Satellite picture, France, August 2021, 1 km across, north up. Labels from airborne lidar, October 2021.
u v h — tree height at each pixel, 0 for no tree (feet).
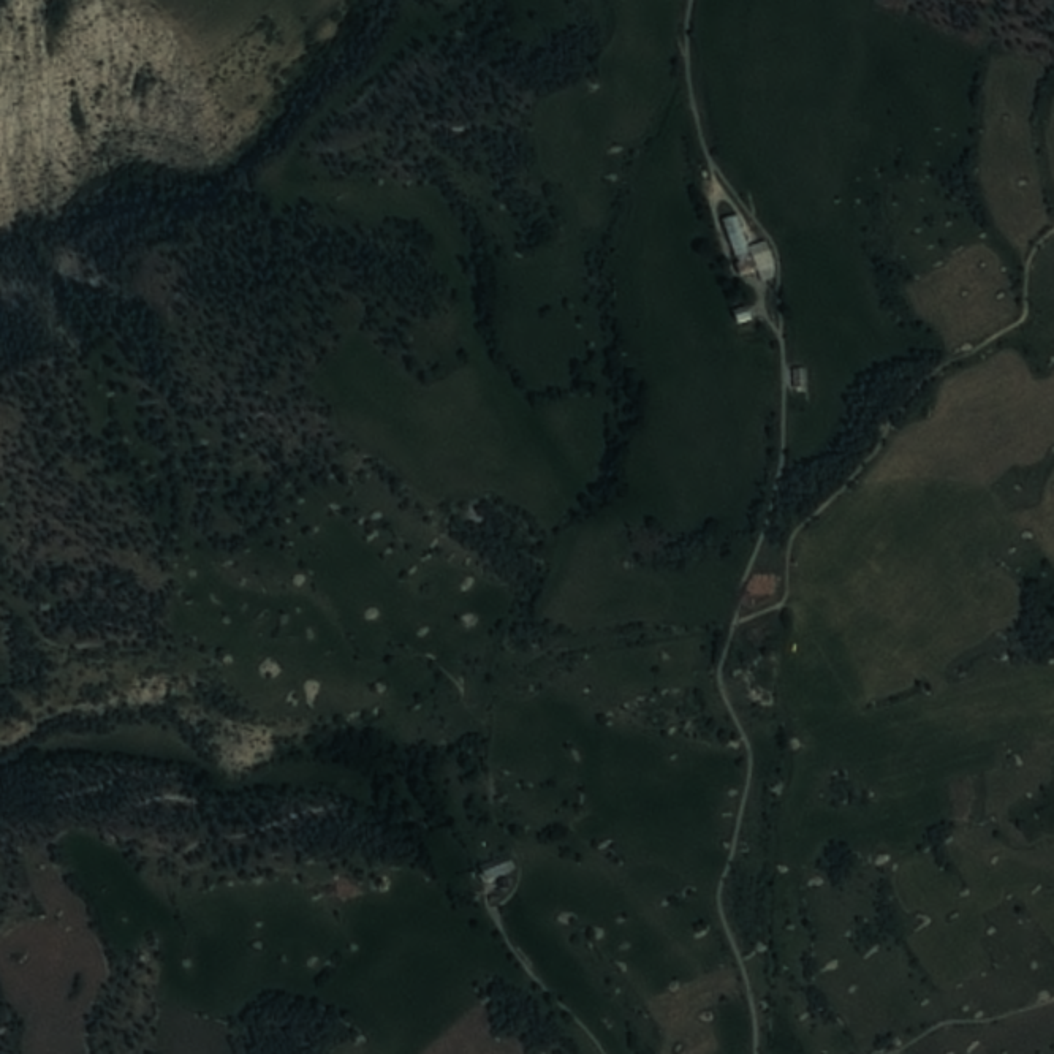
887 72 0
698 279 0
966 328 0
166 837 50
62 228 30
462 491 0
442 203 0
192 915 0
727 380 0
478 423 0
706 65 0
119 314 31
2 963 0
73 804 59
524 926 0
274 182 0
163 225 46
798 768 0
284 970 0
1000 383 0
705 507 0
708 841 0
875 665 0
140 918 0
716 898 0
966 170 30
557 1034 41
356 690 0
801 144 0
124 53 0
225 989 0
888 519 0
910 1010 0
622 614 0
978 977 0
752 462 0
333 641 0
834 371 0
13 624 23
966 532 0
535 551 23
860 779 0
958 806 0
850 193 0
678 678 0
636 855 0
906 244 0
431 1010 0
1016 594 0
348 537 0
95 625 32
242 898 0
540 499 0
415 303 73
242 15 0
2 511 31
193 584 0
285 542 26
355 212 0
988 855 0
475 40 23
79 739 0
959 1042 0
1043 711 0
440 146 25
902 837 0
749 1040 0
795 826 0
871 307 0
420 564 0
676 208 0
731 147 0
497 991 34
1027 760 0
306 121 47
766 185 0
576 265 0
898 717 0
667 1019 0
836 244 0
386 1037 0
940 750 0
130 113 0
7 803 56
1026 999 0
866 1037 0
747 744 0
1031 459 0
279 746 31
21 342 50
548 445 0
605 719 28
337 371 0
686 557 26
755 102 0
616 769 0
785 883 0
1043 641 35
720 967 0
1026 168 0
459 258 0
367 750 77
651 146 18
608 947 0
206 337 34
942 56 0
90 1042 21
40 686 31
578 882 0
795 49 0
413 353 65
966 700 0
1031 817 0
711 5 0
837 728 0
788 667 0
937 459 0
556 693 0
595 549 0
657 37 0
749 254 0
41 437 54
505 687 0
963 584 0
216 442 0
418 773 64
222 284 83
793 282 0
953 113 0
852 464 37
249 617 0
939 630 0
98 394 0
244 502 54
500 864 0
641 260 0
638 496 0
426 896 0
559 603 0
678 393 0
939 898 0
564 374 0
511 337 0
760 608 0
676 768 0
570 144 0
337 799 51
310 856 31
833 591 0
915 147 0
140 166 29
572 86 18
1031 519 0
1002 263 0
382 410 0
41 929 0
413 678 0
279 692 0
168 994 0
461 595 0
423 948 0
